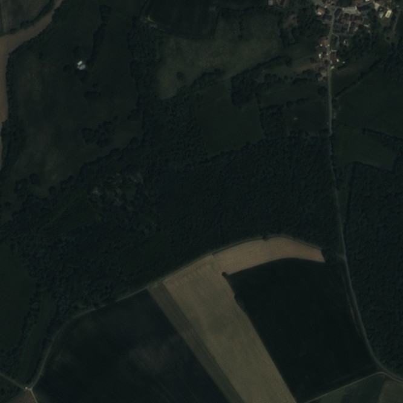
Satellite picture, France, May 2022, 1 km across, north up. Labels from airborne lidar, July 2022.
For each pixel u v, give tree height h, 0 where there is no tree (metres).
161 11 0
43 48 0
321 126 0
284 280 0
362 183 22
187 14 0
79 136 0
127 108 0
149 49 16
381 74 0
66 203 22
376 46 9
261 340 0
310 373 0
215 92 0
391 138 21
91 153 0
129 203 28
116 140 0
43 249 30
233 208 19
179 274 0
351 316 0
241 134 0
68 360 0
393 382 0
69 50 0
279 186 19
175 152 10
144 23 14
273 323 0
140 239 26
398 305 26
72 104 0
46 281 23
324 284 0
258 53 0
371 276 24
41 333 0
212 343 0
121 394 0
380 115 0
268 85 15
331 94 0
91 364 0
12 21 0
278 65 10
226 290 0
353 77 0
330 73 0
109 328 0
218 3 0
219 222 17
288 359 0
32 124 0
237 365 0
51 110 0
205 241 15
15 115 7
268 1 0
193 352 0
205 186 15
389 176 27
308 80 11
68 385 0
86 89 0
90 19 0
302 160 28
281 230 18
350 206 15
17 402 0
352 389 0
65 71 13
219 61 0
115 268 25
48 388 0
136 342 0
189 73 0
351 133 0
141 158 16
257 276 0
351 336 0
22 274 0
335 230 22
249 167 22
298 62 0
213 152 0
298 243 0
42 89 0
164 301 0
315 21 14
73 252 31
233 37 0
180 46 0
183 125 15
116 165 24
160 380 0
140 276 7
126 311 0
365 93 0
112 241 30
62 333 0
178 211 14
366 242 26
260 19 0
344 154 0
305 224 27
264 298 0
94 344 0
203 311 0
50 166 0
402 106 0
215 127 0
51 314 0
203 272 0
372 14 18
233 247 0
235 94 15
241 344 0
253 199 19
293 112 0
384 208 27
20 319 0
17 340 0
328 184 26
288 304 0
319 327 0
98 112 0
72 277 30
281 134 18
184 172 18
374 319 23
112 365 0
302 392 0
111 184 26
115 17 0
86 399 0
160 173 17
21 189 18
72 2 0
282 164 22
